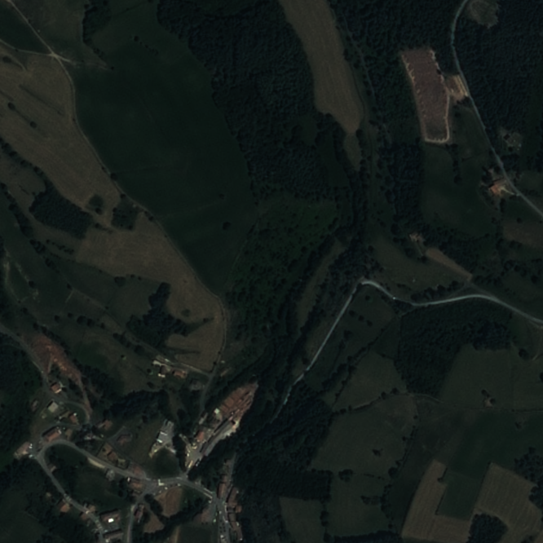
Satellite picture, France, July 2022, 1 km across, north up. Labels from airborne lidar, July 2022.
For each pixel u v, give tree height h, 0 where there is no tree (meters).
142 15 0
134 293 0
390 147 14
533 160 8
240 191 0
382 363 0
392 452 0
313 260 15
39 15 0
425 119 0
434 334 13
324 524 13
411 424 0
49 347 0
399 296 0
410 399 0
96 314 0
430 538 0
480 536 16
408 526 0
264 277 8
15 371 21
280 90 31
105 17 19
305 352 15
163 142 0
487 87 17
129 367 0
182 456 20
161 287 7
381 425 0
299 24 0
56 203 20
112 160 0
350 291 8
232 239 0
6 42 0
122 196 8
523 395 0
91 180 0
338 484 0
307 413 25
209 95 0
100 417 0
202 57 24
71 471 13
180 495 0
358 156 0
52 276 0
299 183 23
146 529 0
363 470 0
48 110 0
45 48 0
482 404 0
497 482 0
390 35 13
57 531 10
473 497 0
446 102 0
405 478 0
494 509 0
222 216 0
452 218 0
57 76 0
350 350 0
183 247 0
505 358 0
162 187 0
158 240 0
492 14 0
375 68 6
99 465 0
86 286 0
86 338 0
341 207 13
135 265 0
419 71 0
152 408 20
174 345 0
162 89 0
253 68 7
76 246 0
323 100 0
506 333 17
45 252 19
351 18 23
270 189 18
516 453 0
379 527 0
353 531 0
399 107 19
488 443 0
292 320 21
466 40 18
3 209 0
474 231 0
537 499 18
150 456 0
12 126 0
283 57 30
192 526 0
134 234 0
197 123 0
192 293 0
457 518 0
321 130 14
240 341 12
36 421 0
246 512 0
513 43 19
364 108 0
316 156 17
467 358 0
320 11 0
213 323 0
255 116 12
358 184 20
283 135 15
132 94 0
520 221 13
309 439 19
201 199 0
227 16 8
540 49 11
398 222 18
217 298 0
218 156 0
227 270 0
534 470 15
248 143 26
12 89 0
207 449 0
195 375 0
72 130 0
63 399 0
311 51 0
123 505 0
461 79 0
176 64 0
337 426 0
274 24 20
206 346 0
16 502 0
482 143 0
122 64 0
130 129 0
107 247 0
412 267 0
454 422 0
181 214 0
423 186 14
